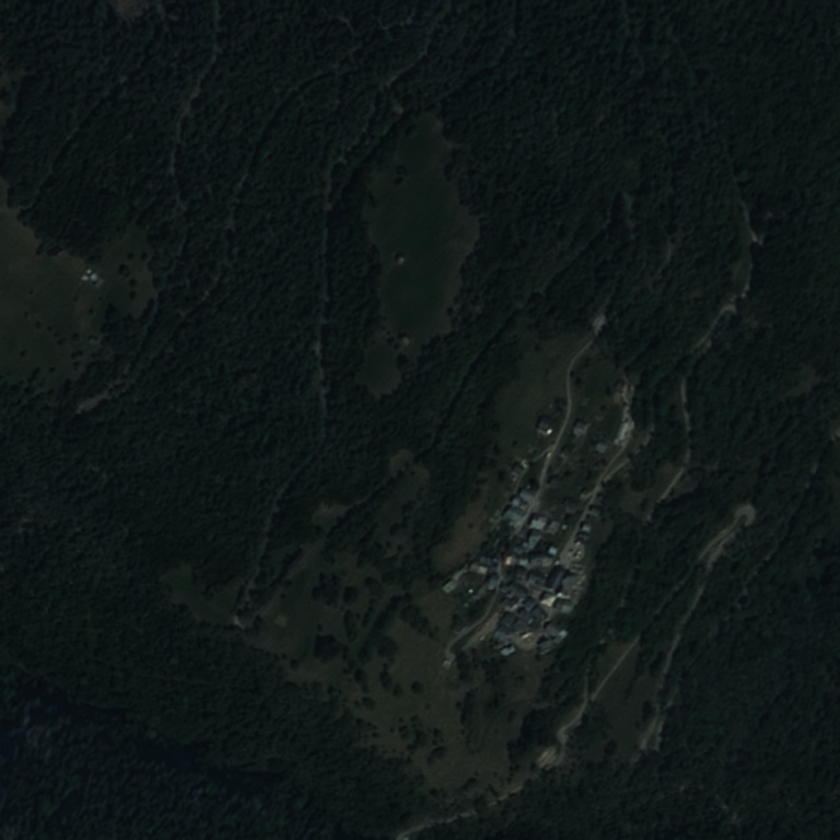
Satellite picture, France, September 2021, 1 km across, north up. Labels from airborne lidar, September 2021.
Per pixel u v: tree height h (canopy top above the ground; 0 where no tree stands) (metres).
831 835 17
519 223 10
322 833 16
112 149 18
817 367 15
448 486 16
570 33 26
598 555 9
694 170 13
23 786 24
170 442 16
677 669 14
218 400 14
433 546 8
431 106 11
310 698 14
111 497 32
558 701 15
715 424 19
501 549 7
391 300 0
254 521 13
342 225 23
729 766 18
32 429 18
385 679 13
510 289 20
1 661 12
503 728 0
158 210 14
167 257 12
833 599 26
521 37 21
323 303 8
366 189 13
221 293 17
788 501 11
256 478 18
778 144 21
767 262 20
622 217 19
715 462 18
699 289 13
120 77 14
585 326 17
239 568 19
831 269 19
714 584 22
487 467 13
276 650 0
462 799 10
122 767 22
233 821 25
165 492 18
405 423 19
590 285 12
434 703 0
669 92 17
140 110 17
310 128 19
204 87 14
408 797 9
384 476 21
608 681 0
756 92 21
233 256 9
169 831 20
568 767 9
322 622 0
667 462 17
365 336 14
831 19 23
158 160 22
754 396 28
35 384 9
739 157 23
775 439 9
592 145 19
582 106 20
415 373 8
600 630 13
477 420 20
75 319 0
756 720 18
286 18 22
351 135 17
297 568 15
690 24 23
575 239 15
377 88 16
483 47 23
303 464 22
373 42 23
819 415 20
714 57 23
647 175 20
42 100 21
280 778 10
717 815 19
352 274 23
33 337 0
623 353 17
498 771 0
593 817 17
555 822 19
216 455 18
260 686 23
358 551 11
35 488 16
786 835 19
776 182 28
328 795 10
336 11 12
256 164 13
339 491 18
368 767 17
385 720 0
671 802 17
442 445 17
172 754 11
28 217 10
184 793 29
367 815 9
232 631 11
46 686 14
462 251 0
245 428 11
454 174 15
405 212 0
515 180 20
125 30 13
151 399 16
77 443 22
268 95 20
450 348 22
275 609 0
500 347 17
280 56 12
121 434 15
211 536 16
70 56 18
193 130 21
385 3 21
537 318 17
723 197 20
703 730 22
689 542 14
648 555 20
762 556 21
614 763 13
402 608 18
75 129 10
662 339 21
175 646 30
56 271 0
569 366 0
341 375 20
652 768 20
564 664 8
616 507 14
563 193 19
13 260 0
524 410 0
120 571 22
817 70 24
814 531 28
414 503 6
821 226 23
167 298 16
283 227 14
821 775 31
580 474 0
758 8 24
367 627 14
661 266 14
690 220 12
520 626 0
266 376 16
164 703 17
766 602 29
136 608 15
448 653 0
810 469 18
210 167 19
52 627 16
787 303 13
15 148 21
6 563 20
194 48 18
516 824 25
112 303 0
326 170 21
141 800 23
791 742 26
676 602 15
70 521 19
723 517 16
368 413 22
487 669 15
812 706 23
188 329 21
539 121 18
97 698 10
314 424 11
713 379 23
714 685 20
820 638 22
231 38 19
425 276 0
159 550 20
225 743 13
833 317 19
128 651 15
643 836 14
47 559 21
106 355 6
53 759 20
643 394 14
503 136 17
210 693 9
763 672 24
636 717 0
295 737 14
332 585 12
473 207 12
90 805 24
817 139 24
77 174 17
